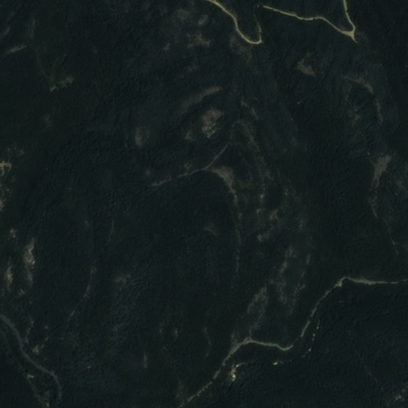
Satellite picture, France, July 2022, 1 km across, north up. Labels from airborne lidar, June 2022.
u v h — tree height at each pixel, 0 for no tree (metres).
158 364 7
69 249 7
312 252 6
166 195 8
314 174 6
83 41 14
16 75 11
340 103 9
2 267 7
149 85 8
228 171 0
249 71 9
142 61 7
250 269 10
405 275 11
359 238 7
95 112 9
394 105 12
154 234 10
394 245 7
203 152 6
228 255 10
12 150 6
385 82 12
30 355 8
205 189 7
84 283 8
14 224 6
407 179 9
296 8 12
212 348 7
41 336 10
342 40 9
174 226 7
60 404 11
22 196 7
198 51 6
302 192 9
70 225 10
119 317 8
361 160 15
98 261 8
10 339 8
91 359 9
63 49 7
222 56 7
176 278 6
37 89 7
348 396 13
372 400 12
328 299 18
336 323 9
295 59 7
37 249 8
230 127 7
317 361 9
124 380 13
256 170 7
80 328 9
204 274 10
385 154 7
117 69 7
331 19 9
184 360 8
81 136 8
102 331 9
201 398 12
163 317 8
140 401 7
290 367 12
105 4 6
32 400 14
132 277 6
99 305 10
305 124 13
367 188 11
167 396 9
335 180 17
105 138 14
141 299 9
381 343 8
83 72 11
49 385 7
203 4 10
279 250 9
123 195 8
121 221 6
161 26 7
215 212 9
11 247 7
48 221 10
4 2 12
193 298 6
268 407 9
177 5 11
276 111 7
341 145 13
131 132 8
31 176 8
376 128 12
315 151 15
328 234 16
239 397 11
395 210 5
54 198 9
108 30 12
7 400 18
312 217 6
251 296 6
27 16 12
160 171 6
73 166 13
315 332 10
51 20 6
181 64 7
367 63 6
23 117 7
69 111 14
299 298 8
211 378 12
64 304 6
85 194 8
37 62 7
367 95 7
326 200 14
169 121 7
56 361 8
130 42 13
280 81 13
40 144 9
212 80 9
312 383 9
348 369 9
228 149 8
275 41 8
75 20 7
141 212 6
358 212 18
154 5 8
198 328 9
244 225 7
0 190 7
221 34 7
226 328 7
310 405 7
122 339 6
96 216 7
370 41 13
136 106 6
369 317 8
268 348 9
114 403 8
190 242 12
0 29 9
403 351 10
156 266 13
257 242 8
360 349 10
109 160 7
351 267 11
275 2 10
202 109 7
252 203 6
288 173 8
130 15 10
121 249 8
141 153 6
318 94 12
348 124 11
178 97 6
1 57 7
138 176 9
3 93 9
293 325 10
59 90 11
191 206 10
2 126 9
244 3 9
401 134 14
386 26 16
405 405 7
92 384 9
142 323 10
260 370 7
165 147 10
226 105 12
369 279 7
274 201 7
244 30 8
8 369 16
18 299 6
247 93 9
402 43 15
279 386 8
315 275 10
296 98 11
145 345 8
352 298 16
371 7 17
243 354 9
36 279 9
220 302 9
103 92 17
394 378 11
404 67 17
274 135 10
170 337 8
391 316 12
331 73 12
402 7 20
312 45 8
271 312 6
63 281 6
